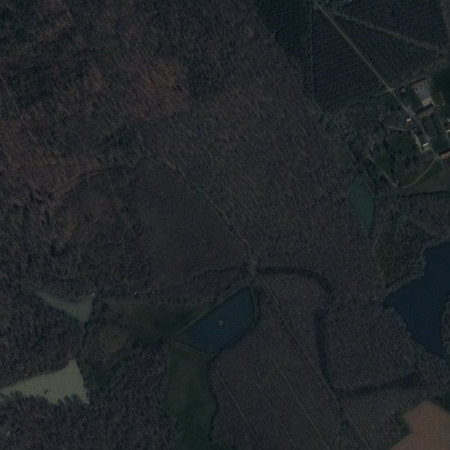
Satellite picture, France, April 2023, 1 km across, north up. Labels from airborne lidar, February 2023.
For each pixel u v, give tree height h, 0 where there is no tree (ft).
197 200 29
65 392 0
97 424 77
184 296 32
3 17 41
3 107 30
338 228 68
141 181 38
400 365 75
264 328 56
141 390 20
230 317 0
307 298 34
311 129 66
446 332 22
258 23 66
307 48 51
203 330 0
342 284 81
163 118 49
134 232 18
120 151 77
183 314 0
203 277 41
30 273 73
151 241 41
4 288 64
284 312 49
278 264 55
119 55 83
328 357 50
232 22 53
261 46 73
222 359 48
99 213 24
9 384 52
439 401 32
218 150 51
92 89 74
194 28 64
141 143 65
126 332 0
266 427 55
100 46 81
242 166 64
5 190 70
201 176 66
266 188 62
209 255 30
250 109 57
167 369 44
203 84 57
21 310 87
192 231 36
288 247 47
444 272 0
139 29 82
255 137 56
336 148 43
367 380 64
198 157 40
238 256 33
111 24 85
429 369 48
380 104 62
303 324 56
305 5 53
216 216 31
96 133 77
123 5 69
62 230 79
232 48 57
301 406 44
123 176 82
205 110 67
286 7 60
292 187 63
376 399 55
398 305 0
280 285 42
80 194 19
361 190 0
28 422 66
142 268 28
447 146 0
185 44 65
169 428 75
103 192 19
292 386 52
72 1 78
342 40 54
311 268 52
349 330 82
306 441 50
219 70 65
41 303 73
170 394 0
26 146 73
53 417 73
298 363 51
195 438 0
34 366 70
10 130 74
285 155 71
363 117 55
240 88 58
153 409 58
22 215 72
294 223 55
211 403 0
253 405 51
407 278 31
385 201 41
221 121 60
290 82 61
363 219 0
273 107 72
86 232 22
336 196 79
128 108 74
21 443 54
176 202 34
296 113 69
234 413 56
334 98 48
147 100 79
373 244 49
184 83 70
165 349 64
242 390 47
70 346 63
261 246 68
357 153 75
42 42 18
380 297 23
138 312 0
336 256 63
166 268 37
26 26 63
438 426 0
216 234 36
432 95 0
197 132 54
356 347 80
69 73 72
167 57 79
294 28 57
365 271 70
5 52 76
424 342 0
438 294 0
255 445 53
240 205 54
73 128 93
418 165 66
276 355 43
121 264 0
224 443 35
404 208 71
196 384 0
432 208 56
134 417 72
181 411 0
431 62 47
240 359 47
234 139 64
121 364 0
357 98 52
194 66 49
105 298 64
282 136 59
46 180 80
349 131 38
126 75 70
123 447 73
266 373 47
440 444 0
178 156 45
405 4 52
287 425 51
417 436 0
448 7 51
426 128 64
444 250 0
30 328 67
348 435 51
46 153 77
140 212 34
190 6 49
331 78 57
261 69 73
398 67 53
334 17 21
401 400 47
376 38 55
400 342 64
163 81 76
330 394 47
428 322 0
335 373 47
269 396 55
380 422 47
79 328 67
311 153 78
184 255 37
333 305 61
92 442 71
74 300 0
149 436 73
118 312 0
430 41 48
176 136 63
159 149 73
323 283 53
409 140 0
